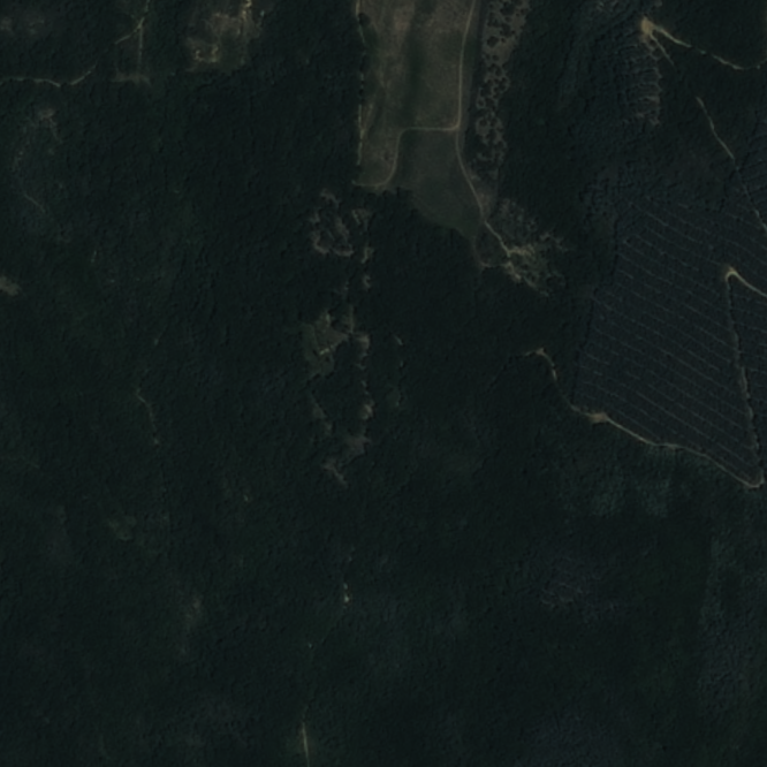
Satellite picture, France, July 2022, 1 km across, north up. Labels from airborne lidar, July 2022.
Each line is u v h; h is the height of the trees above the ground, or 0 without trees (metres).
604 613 18
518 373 20
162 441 11
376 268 15
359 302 12
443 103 0
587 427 13
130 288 7
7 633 13
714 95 11
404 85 0
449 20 0
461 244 13
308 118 17
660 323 16
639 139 15
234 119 15
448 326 15
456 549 18
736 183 15
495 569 19
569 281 15
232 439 14
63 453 11
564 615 11
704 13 10
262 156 12
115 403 7
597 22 13
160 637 7
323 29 11
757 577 9
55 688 9
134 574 8
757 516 10
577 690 14
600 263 13
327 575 10
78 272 7
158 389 9
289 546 11
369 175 0
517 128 14
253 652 17
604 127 12
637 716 17
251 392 16
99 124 8
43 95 7
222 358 18
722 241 16
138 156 10
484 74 8
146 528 9
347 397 17
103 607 11
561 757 16
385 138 0
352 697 14
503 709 18
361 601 10
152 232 8
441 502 15
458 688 15
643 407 17
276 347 12
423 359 15
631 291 13
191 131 19
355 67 8
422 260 7
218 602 11
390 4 0
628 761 15
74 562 6
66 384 15
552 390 15
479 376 15
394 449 15
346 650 12
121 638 10
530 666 17
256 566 18
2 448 8
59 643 9
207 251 17
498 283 14
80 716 6
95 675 11
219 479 10
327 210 10
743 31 12
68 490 13
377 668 11
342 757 6
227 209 16
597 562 12
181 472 12
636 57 15
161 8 12
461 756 10
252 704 11
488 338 13
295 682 15
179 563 5
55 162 11
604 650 17
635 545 14
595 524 17
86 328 6
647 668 19
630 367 18
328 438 19
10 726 11
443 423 13
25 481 10
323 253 11
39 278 7
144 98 10
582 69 12
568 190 19
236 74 14
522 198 9
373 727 16
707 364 15
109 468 6
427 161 0
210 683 15
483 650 16
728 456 15
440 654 15
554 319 15
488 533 17
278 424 14
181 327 10
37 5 9
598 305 15
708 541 15
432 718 15
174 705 13
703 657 18
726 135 10
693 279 16
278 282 20
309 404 12
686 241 16
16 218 11
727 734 12
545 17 13
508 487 19
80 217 10
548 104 15
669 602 18
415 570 15
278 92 15
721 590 11
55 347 12
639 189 14
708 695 9
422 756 17
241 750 13
